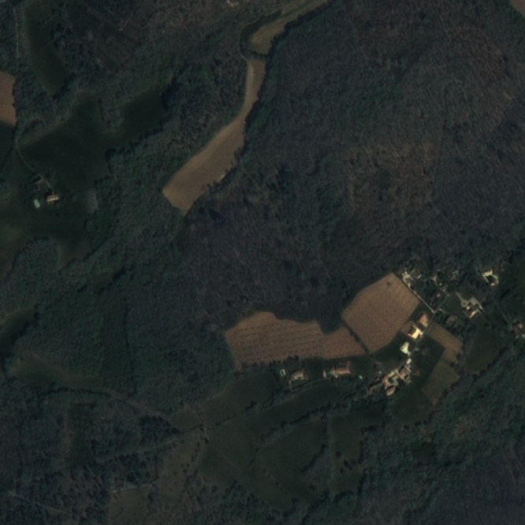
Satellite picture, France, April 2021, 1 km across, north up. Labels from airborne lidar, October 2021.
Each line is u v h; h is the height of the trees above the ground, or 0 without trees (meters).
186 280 17
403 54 7
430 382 0
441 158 21
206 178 0
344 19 15
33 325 13
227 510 17
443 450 21
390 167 20
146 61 21
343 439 0
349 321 0
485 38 8
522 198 16
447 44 15
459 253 15
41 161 0
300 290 18
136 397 12
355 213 19
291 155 19
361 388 7
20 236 0
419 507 14
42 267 19
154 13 7
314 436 0
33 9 0
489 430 20
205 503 19
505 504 14
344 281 11
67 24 8
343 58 14
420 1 8
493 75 8
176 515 7
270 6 12
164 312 15
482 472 17
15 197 0
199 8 22
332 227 17
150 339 18
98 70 18
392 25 6
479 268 17
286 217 24
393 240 8
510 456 20
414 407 0
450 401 22
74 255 0
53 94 0
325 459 23
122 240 13
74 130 0
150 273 24
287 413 0
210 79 5
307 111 19
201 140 15
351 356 0
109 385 9
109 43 21
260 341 0
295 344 0
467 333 7
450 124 22
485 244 16
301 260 21
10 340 0
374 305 0
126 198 14
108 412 12
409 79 16
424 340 0
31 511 21
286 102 19
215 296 8
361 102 20
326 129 22
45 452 16
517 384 22
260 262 7
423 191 9
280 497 0
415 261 8
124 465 19
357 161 6
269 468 0
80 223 0
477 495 9
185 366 19
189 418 0
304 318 13
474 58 12
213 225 16
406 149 17
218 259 8
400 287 0
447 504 16
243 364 0
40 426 19
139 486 18
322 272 10
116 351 11
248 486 0
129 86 24
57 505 12
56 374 0
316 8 0
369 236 19
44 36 0
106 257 17
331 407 9
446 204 20
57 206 10
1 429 9
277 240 14
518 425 20
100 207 8
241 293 10
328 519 18
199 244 8
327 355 0
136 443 14
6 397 19
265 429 0
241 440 0
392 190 18
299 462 0
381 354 0
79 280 18
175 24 18
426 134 19
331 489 0
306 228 19
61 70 0
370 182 7
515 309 0
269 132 21
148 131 0
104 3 9
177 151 14
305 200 21
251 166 19
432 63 17
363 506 20
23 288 20
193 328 19
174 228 21
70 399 19
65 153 0
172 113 25
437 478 17
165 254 21
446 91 11
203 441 10
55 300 21
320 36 19
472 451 11
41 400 14
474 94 17
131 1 10
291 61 15
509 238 17
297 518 21
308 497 0
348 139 18
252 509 20
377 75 18
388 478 23
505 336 11
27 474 20
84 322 16
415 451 6
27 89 22
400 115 22
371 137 18
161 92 0
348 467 17
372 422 0
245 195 7
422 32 18
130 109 0
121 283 21
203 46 11
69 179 0
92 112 0
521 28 20
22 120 22
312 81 17
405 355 0
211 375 18
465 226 17
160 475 14
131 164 24
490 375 19
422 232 14
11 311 24
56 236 0
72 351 18
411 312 0
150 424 17
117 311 8
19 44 23
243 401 0
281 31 0
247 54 21
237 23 11
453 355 0
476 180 20
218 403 0
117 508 0
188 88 22
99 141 0
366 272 9
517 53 14
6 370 16
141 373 15
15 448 7
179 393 8
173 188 0
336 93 21
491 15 9
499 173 15
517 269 0
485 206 22
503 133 19
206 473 0
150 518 9
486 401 19
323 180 21
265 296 9
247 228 11
